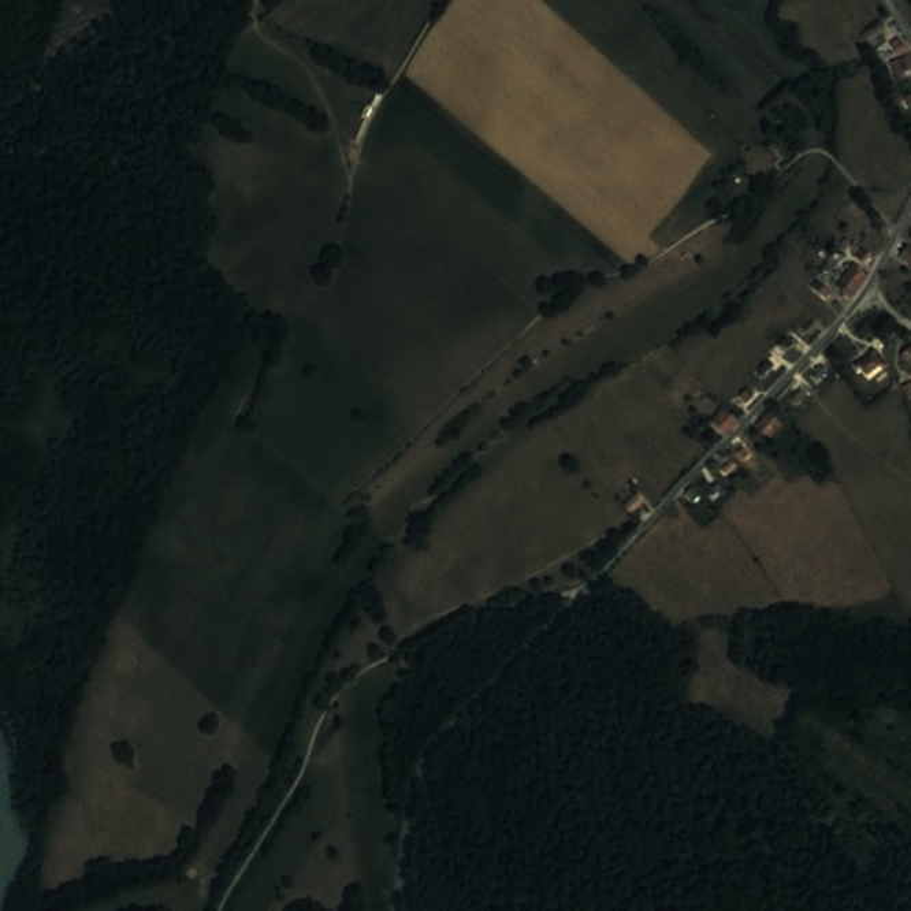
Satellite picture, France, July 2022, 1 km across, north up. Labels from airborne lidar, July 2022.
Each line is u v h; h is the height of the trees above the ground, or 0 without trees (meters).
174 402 8
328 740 0
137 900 0
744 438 0
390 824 0
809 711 27
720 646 0
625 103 0
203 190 27
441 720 8
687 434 12
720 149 0
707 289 0
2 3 18
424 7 0
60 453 10
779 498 0
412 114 0
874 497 0
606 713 30
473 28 0
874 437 0
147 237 12
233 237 0
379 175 0
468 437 0
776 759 27
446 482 13
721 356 0
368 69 16
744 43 0
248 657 0
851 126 0
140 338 15
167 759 0
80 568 20
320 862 0
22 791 16
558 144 0
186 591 0
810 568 0
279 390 0
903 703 10
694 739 27
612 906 17
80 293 16
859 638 10
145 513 19
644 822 27
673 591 0
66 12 25
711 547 0
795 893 21
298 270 0
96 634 20
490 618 15
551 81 0
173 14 26
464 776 26
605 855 29
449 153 0
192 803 0
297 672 0
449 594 0
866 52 23
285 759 22
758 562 6
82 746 0
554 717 28
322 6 0
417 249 0
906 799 0
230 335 20
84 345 13
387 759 21
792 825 31
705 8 0
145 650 0
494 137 0
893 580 0
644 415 0
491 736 23
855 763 0
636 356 0
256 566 0
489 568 0
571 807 26
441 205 0
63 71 24
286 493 0
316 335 0
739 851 28
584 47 0
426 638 16
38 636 13
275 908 0
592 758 25
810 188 0
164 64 6
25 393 7
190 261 22
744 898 25
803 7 0
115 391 13
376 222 0
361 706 0
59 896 14
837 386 0
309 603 0
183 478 0
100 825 0
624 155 0
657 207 0
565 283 19
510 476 0
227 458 0
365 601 23
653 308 0
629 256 0
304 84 0
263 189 0
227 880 14
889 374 0
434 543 0
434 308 0
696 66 10
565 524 0
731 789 30
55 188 16
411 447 6
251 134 8
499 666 20
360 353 0
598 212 0
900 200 0
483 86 0
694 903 33
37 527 16
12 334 21
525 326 0
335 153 0
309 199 0
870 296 0
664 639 22
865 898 28
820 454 18
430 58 0
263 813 10
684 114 0
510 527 0
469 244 0
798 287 0
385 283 0
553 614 19
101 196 21
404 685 12
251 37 0
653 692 26
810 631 8
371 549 0
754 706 0
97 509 9
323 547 0
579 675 22
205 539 0
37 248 25
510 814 23
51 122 23
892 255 0
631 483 6
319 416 0
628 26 0
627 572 0
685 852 28
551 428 0
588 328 0
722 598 0
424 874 20
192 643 0
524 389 0
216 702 0
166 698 0
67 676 18
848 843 9
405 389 0
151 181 19
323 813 0
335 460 0
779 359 0
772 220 0
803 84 14
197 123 23
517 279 0
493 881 27
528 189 0
